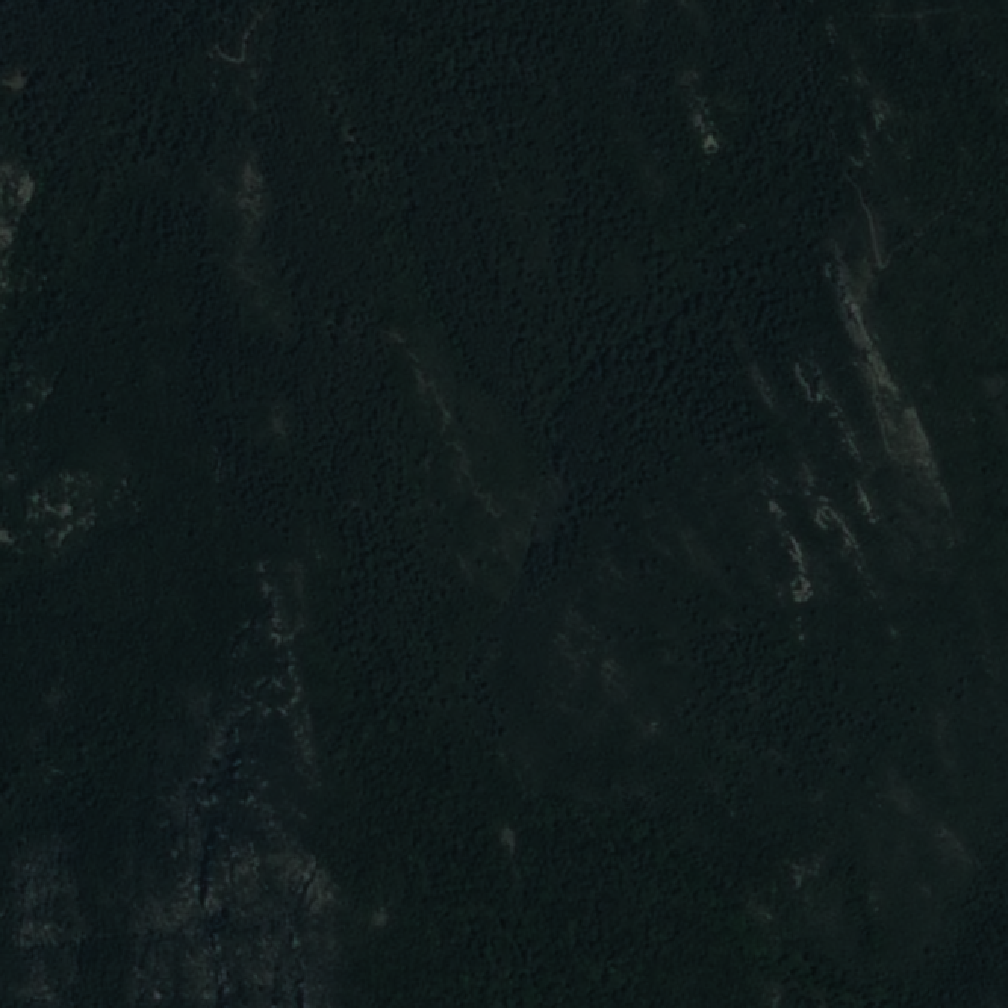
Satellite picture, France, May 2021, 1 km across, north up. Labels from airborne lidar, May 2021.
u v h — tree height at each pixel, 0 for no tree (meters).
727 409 13
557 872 12
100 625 10
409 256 8
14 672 9
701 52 8
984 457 6
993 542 6
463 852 10
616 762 7
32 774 5
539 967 12
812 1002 12
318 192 14
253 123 11
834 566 6
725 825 7
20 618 8
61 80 17
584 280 15
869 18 7
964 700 12
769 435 9
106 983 6
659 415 5
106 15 19
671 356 16
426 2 16
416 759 8
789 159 15
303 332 11
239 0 13
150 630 9
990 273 8
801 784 7
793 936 7
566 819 15
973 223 6
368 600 14
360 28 8
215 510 6
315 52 19
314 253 15
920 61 7
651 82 12
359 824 6
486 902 14
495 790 7
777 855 8
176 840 11
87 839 6
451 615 9
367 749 9
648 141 6
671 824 10
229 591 6
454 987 11
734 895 11
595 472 16
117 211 14
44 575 8
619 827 16
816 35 6
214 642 7
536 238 8
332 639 9
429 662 13
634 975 16
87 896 7
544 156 10
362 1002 7
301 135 17
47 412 8
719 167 8
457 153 19
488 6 17
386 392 17
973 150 8
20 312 13
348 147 20
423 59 16
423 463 12
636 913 13
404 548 12
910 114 9
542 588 11
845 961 7
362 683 8
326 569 5
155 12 19
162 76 14
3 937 8
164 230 10
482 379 15
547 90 8
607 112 6
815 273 5
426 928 11
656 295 16
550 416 6
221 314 14
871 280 0
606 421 17
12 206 11
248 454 11
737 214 7
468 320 18
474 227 6
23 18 23
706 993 10
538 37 12
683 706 7
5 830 6
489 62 20
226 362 12
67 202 8
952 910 6
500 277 16
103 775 7
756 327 11
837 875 10
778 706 12
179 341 7
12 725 8
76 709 6
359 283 15
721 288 9
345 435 14
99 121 18
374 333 16
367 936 6
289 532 11
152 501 6
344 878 9
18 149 9
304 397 15
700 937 13
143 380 6
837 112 13
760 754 13
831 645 7
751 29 16
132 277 8
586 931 14
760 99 16
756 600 6
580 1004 8
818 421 9
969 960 9
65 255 10
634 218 12
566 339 11
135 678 9
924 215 5
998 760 6
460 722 6
